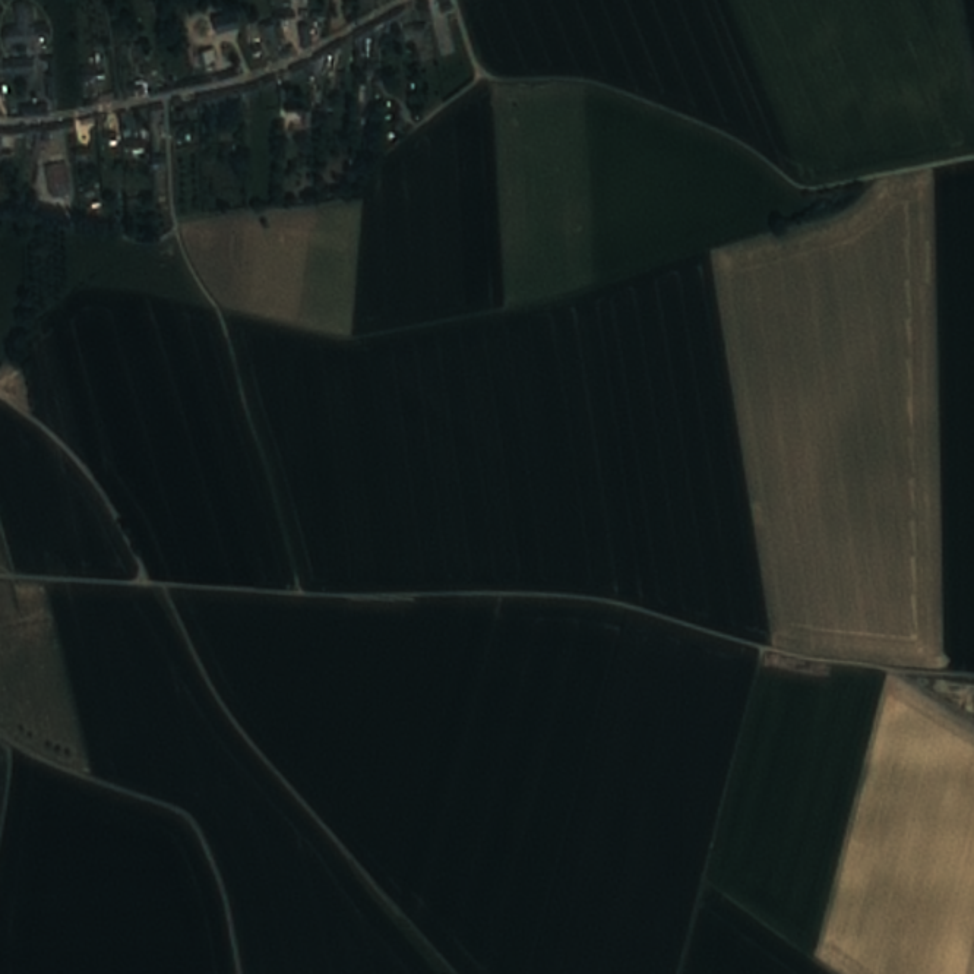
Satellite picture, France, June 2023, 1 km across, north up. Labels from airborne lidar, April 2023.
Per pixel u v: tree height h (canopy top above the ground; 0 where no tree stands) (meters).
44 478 0
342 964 0
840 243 0
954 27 0
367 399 0
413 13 0
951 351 0
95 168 9
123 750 0
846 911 0
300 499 0
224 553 0
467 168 0
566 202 0
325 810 0
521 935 0
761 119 0
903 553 0
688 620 0
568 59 0
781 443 0
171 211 0
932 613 0
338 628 0
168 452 0
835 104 0
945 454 0
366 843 0
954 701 0
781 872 0
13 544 0
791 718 0
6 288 0
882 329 0
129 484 0
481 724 0
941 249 0
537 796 0
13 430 0
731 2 0
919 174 0
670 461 0
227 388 0
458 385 0
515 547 0
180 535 0
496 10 0
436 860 0
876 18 0
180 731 0
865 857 0
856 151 0
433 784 0
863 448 0
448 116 0
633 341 0
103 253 0
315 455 0
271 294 0
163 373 0
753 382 0
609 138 0
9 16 0
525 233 0
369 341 0
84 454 0
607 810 0
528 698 0
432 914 0
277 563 0
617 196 0
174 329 0
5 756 0
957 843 0
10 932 0
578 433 0
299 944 0
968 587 0
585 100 0
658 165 0
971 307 0
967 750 0
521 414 0
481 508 0
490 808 0
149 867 0
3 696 0
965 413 0
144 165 7
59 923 0
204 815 0
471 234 0
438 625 0
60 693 0
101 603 0
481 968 0
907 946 0
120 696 0
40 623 0
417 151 0
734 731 0
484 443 0
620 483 0
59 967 0
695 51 0
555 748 0
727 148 0
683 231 0
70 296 0
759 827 0
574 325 0
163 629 0
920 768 0
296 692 0
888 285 0
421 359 0
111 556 0
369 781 0
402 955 0
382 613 0
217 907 0
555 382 0
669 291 0
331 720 0
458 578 0
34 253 8
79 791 0
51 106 0
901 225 0
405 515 0
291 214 0
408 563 0
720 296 0
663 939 0
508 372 0
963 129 0
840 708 0
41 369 0
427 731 0
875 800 0
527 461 0
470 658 0
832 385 0
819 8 0
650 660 0
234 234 0
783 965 0
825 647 0
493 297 0
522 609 0
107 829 0
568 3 0
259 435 0
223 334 0
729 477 0
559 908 0
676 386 0
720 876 0
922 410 0
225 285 0
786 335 0
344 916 0
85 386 0
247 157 22
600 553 0
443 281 0
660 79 0
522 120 0
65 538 0
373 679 0
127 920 0
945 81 0
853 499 0
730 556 0
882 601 0
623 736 0
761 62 0
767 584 0
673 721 0
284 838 0
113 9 9
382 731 0
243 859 0
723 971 0
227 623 0
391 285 0
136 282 0
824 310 0
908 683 0
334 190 9
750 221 0
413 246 0
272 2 0
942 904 0
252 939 0
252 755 0
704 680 0
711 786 0
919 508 0
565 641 0
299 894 0
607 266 0
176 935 0
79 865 0
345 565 0
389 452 0
